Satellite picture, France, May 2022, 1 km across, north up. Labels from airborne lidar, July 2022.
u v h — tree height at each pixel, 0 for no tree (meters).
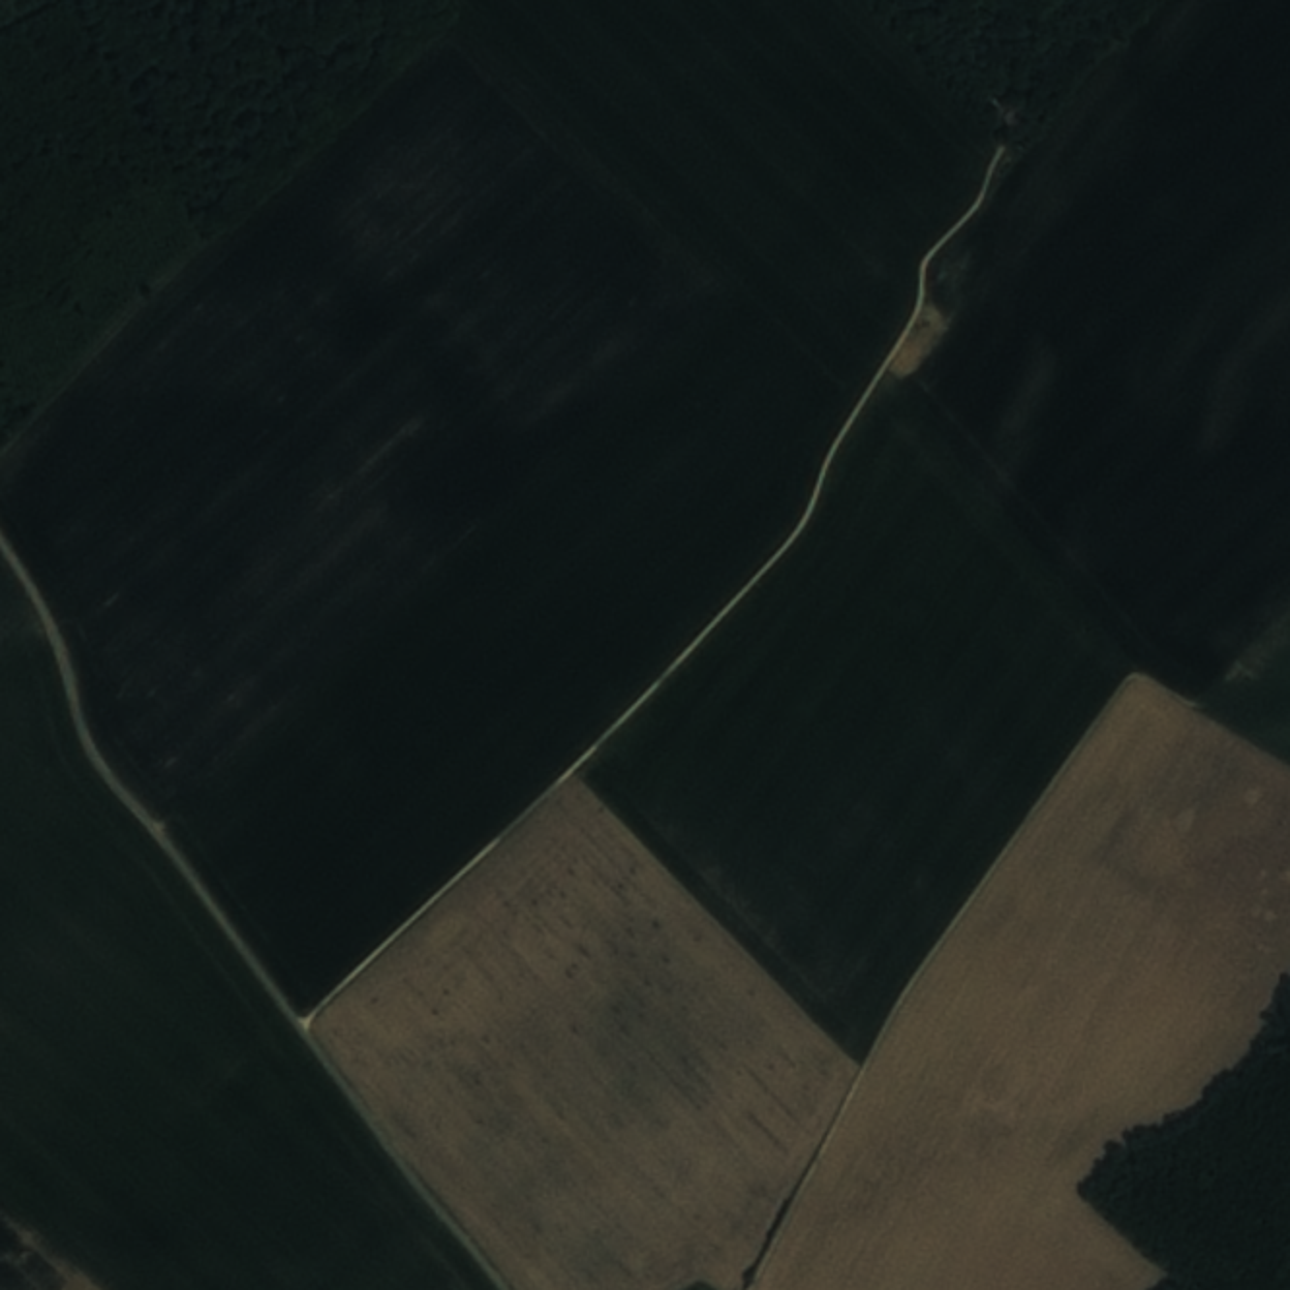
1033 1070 0
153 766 0
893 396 0
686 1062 0
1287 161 0
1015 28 24
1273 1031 19
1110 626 0
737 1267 0
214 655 0
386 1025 0
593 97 0
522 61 0
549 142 0
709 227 0
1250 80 0
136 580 0
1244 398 0
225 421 0
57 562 0
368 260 0
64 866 0
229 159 22
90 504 0
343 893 0
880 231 0
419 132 0
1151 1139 13
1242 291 0
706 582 0
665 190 0
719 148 0
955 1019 0
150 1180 0
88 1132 0
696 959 0
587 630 0
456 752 0
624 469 0
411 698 0
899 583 0
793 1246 0
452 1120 0
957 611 0
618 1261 0
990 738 0
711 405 0
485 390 0
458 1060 0
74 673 0
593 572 0
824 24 0
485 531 0
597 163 0
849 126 0
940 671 0
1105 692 0
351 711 0
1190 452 0
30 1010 0
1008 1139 0
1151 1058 0
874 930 0
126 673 0
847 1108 0
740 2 0
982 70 21
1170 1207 13
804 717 0
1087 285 0
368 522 0
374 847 0
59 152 10
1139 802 0
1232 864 0
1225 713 0
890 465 0
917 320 0
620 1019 0
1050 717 0
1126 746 0
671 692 0
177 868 0
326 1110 0
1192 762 0
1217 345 0
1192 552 0
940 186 0
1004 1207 0
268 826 0
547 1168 0
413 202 0
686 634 0
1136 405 0
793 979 0
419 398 0
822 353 0
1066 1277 0
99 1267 0
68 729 0
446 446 0
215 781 0
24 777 0
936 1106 0
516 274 0
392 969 0
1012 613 0
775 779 0
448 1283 0
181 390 0
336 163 0
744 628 0
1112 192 0
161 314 0
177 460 0
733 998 0
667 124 0
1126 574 0
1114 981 0
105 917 0
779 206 0
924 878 0
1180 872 0
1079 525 0
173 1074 0
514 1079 0
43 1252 0
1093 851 0
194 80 24
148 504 0
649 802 0
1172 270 0
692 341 0
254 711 0
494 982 0
